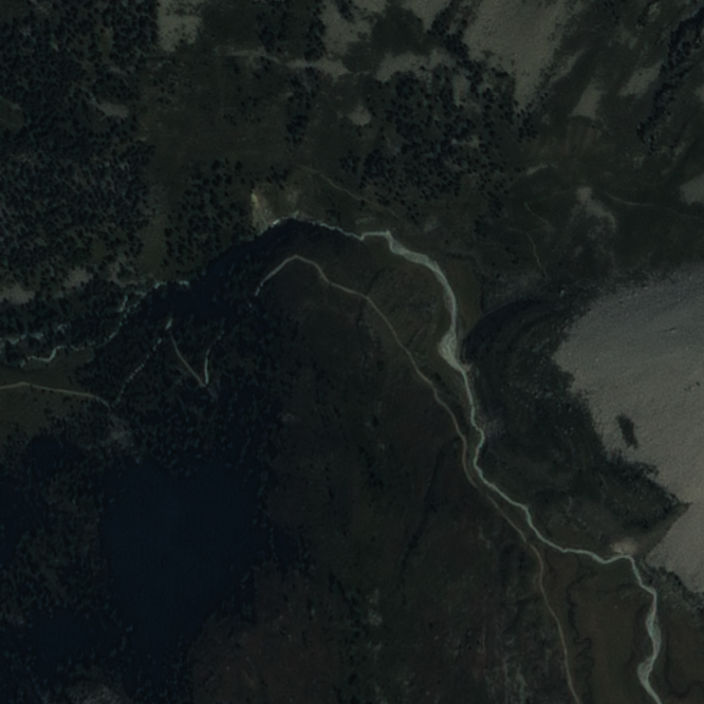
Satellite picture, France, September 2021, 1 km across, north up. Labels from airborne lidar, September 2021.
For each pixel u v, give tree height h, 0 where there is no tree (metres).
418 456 0
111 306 9
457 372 0
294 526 0
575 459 0
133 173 11
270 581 0
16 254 13
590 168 0
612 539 0
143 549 0
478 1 0
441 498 0
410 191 0
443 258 0
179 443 7
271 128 0
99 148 11
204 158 0
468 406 0
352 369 0
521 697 0
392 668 0
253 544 14
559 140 0
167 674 15
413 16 0
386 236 0
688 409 0
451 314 0
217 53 0
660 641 0
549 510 0
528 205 0
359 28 0
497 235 0
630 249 0
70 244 12
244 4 0
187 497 7
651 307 0
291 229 9
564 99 0
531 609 0
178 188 0
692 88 0
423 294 0
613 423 0
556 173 0
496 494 0
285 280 0
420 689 0
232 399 17
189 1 0
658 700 0
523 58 0
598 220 0
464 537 0
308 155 0
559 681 0
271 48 12
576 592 0
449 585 0
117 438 0
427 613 0
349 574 0
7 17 0
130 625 17
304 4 0
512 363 0
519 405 0
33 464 6
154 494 0
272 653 0
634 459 0
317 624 0
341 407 0
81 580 8
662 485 0
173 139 0
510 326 0
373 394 0
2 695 8
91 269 8
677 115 0
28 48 11
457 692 0
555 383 0
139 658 6
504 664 0
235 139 0
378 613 0
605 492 0
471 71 10
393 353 0
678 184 0
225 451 6
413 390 0
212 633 0
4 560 9
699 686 0
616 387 0
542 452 0
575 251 0
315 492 0
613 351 0
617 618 0
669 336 0
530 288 0
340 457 0
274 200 0
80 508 8
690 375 0
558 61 0
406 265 0
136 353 0
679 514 0
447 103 11
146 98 0
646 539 0
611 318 0
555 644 0
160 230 0
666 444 0
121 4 8
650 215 0
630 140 0
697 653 0
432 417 0
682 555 0
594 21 0
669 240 0
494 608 0
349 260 0
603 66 0
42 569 0
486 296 0
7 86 13
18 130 0
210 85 0
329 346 0
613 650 0
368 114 0
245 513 18
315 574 0
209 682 0
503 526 0
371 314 0
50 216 14
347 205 0
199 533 12
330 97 0
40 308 9
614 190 0
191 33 0
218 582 10
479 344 0
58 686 15
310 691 0
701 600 0
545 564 0
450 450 0
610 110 0
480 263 0
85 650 19
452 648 0
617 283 0
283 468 0
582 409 0
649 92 0
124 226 17
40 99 10
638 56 0
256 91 0
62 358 0
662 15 0
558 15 0
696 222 0
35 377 0
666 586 0
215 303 5
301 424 0
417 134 10
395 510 0
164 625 0
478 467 0
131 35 14
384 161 10
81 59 8
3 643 5
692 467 0
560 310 0
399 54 0
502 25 0
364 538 0
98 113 7
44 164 14
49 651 5
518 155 0
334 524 0
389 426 0
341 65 0
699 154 0
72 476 6
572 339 0
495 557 0
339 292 0
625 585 0
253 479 13
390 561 0
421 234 0
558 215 0
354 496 0
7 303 13
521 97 0
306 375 0
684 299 0
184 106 0
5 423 0
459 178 11
